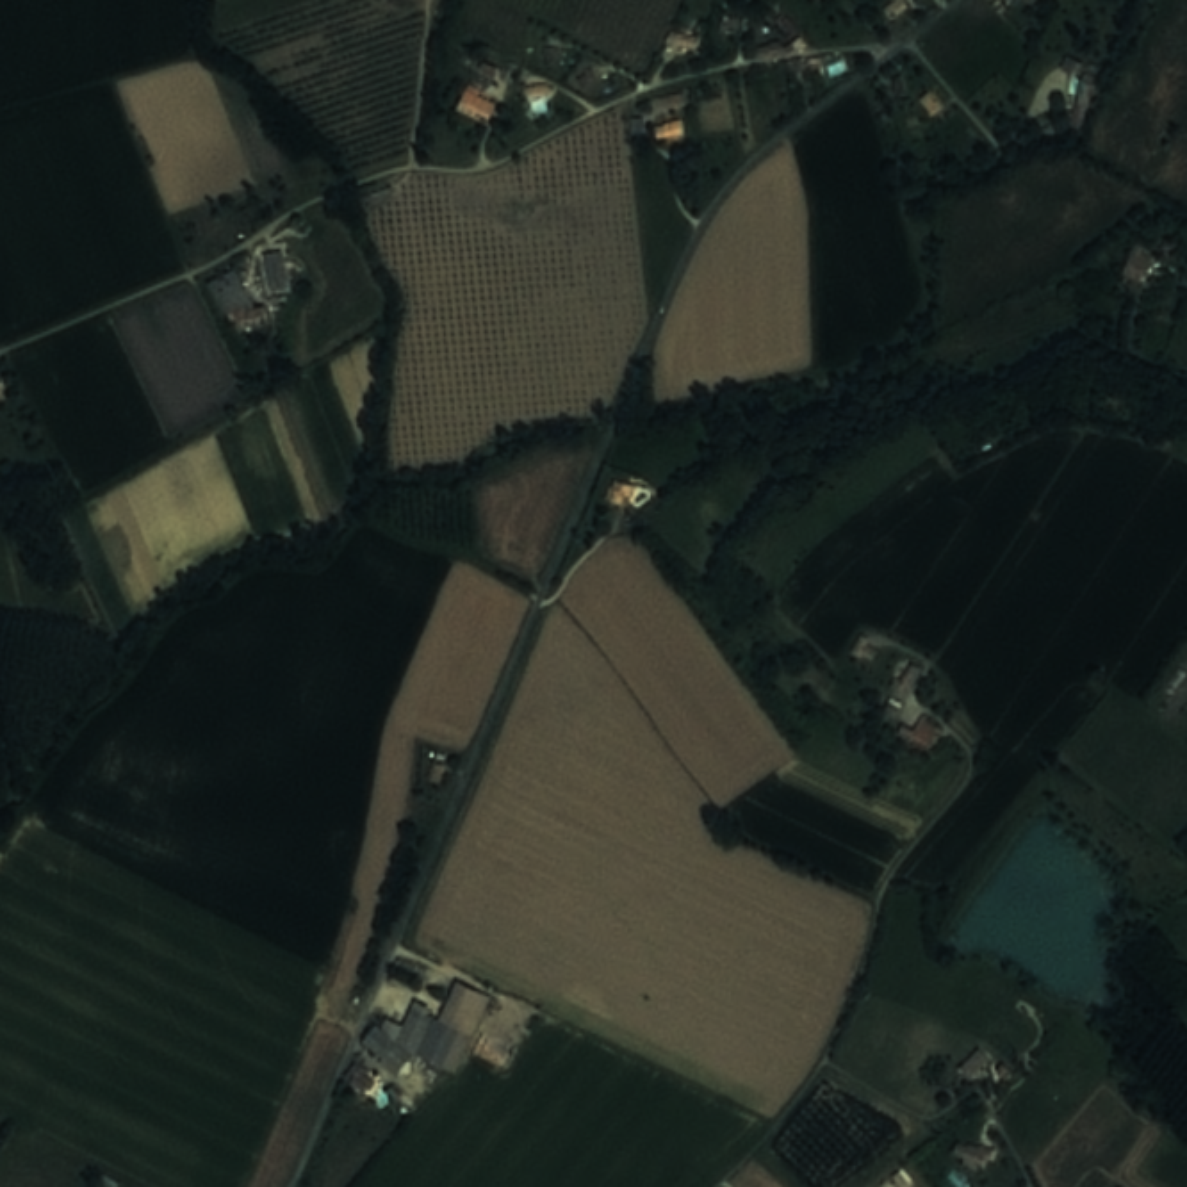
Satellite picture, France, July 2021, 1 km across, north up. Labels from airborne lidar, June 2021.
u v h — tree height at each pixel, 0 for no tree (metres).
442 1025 0
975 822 0
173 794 0
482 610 0
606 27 0
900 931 0
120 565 0
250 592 0
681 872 0
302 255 0
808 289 0
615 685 0
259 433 0
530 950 0
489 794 0
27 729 27
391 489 12
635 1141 0
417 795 8
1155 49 0
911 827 0
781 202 0
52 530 29
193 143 0
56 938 0
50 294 0
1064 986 0
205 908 0
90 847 0
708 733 0
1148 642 0
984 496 0
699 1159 0
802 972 0
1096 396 7
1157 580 0
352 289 0
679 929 0
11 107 0
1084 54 9
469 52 9
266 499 0
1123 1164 0
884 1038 0
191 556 0
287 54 0
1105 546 0
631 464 0
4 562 0
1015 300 6
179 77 0
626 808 0
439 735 0
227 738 0
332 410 0
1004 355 0
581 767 0
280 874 0
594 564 0
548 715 0
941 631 0
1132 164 0
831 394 8
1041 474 0
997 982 0
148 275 0
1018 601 0
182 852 0
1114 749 0
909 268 0
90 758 0
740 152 0
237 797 0
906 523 0
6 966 0
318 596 0
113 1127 0
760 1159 0
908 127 0
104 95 0
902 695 0
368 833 0
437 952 0
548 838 0
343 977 0
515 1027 0
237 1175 0
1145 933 11
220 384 0
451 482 12
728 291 0
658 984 0
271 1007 0
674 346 0
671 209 0
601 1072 0
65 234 0
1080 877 0
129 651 17
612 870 0
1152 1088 13
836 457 21
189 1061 0
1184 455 0
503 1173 0
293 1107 0
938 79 0
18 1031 0
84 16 0
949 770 0
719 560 15
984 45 0
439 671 0
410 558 0
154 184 0
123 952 0
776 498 20
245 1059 0
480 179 0
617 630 0
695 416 13
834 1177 16
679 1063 0
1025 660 0
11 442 0
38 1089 0
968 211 0
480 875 0
